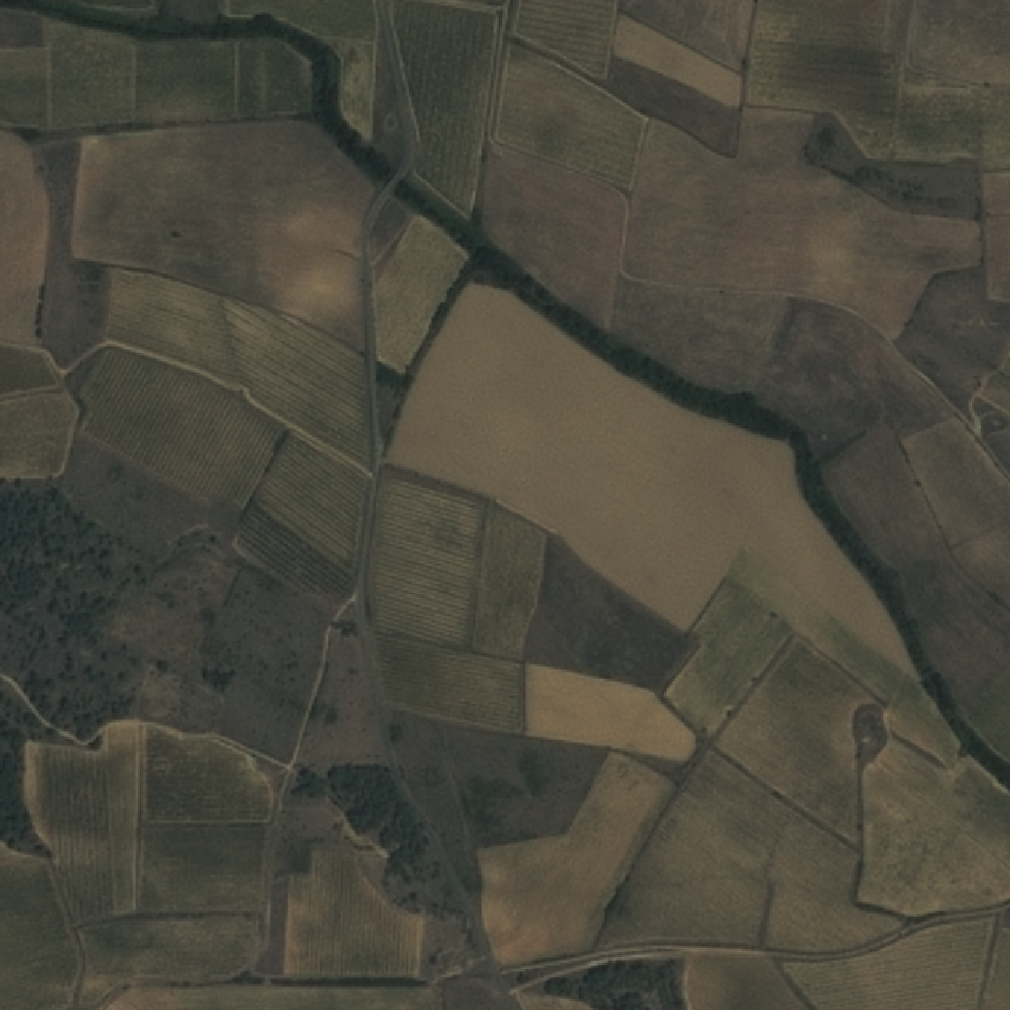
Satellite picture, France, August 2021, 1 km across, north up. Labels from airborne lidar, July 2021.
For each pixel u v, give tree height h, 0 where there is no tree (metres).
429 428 0
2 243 0
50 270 0
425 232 0
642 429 0
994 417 0
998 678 0
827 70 0
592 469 0
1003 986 0
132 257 0
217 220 0
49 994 0
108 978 0
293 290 0
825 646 0
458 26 0
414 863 14
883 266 0
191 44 0
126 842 0
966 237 0
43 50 0
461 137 0
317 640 0
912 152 0
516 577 0
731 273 0
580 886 0
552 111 0
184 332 0
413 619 0
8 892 0
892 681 0
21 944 0
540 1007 0
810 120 0
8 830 15
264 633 0
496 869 0
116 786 0
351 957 0
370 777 12
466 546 0
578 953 0
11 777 18
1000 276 0
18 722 8
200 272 0
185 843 0
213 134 0
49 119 0
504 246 0
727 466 0
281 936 0
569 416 0
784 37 0
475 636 0
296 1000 0
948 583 0
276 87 0
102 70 0
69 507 9
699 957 0
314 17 0
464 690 0
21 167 0
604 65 0
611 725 0
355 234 0
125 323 0
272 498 0
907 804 0
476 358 0
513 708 0
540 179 0
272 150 0
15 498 14
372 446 0
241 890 0
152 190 0
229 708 0
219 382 0
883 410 0
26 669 8
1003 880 0
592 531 0
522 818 0
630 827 0
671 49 0
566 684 0
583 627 0
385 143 0
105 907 0
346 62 0
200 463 0
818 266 0
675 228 0
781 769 0
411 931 0
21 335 0
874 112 0
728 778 0
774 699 0
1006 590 0
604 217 0
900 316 0
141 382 0
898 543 0
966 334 0
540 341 0
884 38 0
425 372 0
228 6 0
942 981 0
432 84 0
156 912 0
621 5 0
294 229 0
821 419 0
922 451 0
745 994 0
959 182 0
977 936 0
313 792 11
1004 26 0
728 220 0
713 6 0
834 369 0
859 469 0
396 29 0
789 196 0
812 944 0
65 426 0
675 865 0
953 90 0
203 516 0
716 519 0
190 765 0
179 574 0
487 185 0
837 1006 0
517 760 0
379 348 0
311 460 0
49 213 0
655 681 0
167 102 0
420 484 0
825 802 0
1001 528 0
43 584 14
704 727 0
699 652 0
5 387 0
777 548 0
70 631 9
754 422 15
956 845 0
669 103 0
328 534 0
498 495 0
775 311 0
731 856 0
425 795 0
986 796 0
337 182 0
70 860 0
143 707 0
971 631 0
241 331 0
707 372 0
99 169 0
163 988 0
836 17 0
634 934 0
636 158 0
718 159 0
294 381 0
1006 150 0
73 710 14
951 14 0
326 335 0
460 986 0
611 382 0
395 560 0
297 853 0
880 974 0
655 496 0
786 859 0
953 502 0
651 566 0
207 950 0
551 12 0
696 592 0
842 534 6
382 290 0
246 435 0
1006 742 0
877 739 0
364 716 0
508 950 0
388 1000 0
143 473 0
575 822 0
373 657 0
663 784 0
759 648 0
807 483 6
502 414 0
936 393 0
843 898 0
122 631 0
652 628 0
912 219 0
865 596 0
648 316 0
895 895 0
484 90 0
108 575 13
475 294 0
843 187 0
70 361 0
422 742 0
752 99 0
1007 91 0
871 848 0
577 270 0
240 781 0
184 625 0
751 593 0
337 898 0
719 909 0
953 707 17
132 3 0
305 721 0
